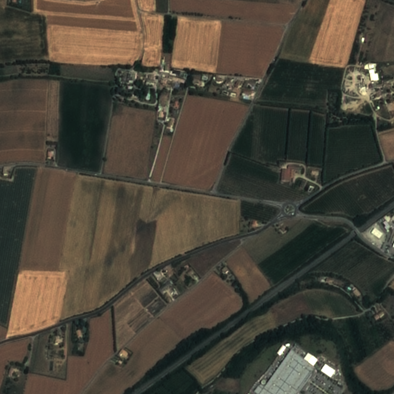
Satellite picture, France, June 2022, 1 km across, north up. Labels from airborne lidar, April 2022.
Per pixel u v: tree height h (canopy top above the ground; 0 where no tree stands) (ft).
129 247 0
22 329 0
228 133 0
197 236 0
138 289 0
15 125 0
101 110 0
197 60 0
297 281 24
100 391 0
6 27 0
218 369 0
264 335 52
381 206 22
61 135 0
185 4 0
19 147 0
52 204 0
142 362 0
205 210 0
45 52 0
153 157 0
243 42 0
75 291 0
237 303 0
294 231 0
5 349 0
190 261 0
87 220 0
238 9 0
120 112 0
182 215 0
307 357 0
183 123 0
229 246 0
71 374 0
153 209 0
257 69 0
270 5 0
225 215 0
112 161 0
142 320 0
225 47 0
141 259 0
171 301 0
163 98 0
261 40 0
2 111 0
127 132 0
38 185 0
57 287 0
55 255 0
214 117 0
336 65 0
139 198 0
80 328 30
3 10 0
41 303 0
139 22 0
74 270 0
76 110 0
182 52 0
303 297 0
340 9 0
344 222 0
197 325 0
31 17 0
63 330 46
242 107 0
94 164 0
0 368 0
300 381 0
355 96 0
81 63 0
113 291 0
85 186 0
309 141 42
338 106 31
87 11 0
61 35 0
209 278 0
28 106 0
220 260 0
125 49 0
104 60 0
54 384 0
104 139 0
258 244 0
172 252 0
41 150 0
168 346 0
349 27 0
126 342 0
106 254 0
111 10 0
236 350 0
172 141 0
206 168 0
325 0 0
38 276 0
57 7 0
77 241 0
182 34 0
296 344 25
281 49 0
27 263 0
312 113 37
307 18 0
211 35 0
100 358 0
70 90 0
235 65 0
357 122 35
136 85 73
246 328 0
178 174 0
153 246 0
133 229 0
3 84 0
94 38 0
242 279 0
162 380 34
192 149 0
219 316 0
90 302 0
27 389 0
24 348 0
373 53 0
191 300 0
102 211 0
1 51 0
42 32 0
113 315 20
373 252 38
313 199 42
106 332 0
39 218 0
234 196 0
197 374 0
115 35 0
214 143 0
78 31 0
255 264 0
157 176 0
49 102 0
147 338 0
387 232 0
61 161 0
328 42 0
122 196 0
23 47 0
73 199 0
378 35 0
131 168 0
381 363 0
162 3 0
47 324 0
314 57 0
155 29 0
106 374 0
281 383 0
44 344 0
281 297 37
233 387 0
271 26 0
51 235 0
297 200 0
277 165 36
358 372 0
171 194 0
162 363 34
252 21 0
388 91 33
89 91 0
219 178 0
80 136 0
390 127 37
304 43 0
